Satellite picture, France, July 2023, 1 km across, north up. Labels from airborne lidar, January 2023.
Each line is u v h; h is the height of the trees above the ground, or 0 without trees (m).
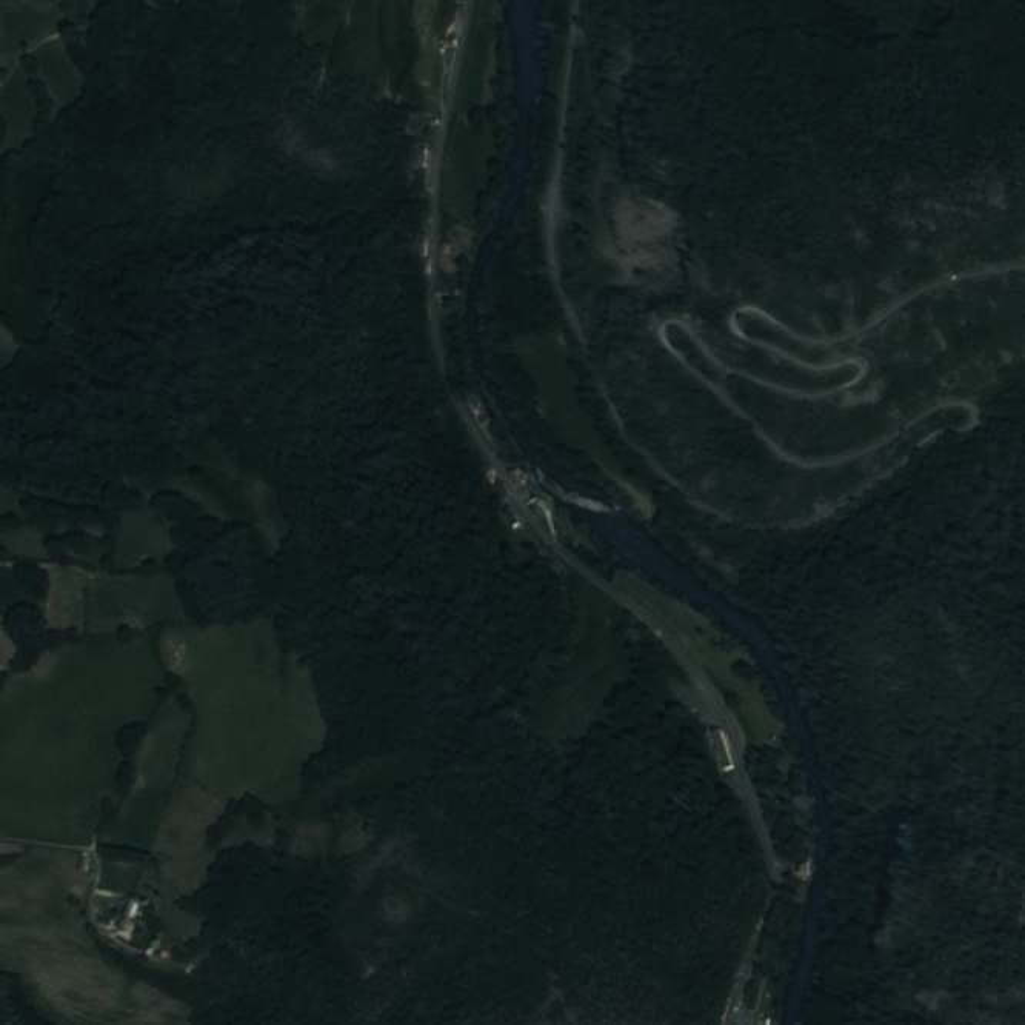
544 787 30
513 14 0
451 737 22
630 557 0
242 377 27
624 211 0
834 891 22
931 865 11
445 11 0
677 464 6
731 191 9
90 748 0
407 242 9
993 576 8
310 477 25
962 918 15
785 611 23
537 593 23
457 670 6
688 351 9
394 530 17
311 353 21
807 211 7
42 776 0
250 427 24
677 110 7
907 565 12
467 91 0
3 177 16
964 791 6
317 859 6
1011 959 8
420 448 23
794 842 17
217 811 0
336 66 0
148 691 0
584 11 9
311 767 15
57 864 0
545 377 0
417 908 0
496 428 17
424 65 0
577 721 0
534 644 26
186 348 24
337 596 24
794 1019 0
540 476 0
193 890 0
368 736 20
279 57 20
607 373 10
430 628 24
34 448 26
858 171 9
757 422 8
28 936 0
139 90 17
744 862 16
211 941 16
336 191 19
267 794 0
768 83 8
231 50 10
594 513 0
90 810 0
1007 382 14
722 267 6
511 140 14
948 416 9
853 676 9
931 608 8
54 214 17
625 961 18
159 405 31
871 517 24
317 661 17
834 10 6
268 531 0
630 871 27
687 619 0
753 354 11
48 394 23
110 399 31
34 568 11
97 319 30
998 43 26
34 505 18
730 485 10
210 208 6
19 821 0
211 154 10
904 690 6
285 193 19
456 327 18
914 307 8
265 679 0
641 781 29
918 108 12
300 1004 19
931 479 17
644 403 10
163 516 10
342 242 27
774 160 11
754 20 15
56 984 0
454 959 6
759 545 15
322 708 10
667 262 0
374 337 15
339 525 26
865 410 7
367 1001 10
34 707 0
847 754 7
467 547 30
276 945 20
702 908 14
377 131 14
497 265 25
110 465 23
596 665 0
